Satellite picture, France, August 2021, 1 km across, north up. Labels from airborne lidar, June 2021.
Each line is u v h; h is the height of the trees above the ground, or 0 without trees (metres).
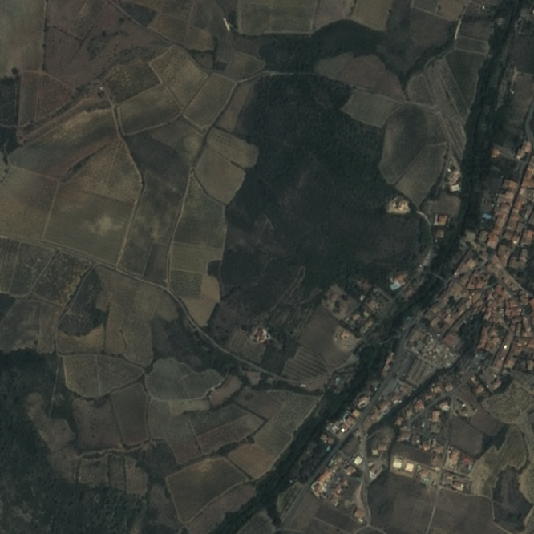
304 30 0
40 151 0
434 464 0
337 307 7
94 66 0
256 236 0
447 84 0
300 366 0
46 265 0
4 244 0
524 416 0
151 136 0
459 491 0
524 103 0
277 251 0
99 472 0
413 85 0
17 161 0
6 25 0
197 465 0
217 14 0
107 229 0
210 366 5
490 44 7
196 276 0
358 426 0
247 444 0
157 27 0
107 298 0
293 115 6
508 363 0
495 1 0
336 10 0
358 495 0
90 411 0
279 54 0
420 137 0
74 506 11
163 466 0
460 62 0
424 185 0
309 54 8
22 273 0
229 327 0
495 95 9
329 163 7
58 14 0
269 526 0
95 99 0
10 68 0
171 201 0
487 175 6
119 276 0
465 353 6
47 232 0
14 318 0
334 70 0
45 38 0
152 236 0
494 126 8
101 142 0
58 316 0
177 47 0
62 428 0
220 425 0
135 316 0
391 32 0
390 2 0
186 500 0
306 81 7
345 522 0
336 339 0
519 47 0
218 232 0
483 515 0
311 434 8
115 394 0
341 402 7
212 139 0
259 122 5
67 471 0
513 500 0
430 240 15
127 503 11
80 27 0
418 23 0
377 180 12
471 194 7
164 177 0
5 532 0
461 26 0
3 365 7
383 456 0
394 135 0
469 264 0
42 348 0
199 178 0
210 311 0
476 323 14
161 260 0
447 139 0
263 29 0
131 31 0
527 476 0
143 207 0
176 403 0
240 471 0
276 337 9
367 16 0
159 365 0
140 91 0
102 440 0
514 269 8
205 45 0
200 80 0
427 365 0
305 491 0
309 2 0
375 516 0
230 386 0
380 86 0
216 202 0
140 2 0
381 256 0
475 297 0
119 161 0
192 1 0
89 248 0
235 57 0
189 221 0
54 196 0
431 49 8
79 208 0
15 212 0
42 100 0
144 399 0
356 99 0
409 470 0
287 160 6
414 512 0
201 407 0
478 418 0
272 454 0
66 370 0
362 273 11
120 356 6
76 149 0
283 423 0
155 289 0
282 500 0
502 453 0
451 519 0
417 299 13
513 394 0
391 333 6
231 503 0
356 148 6
